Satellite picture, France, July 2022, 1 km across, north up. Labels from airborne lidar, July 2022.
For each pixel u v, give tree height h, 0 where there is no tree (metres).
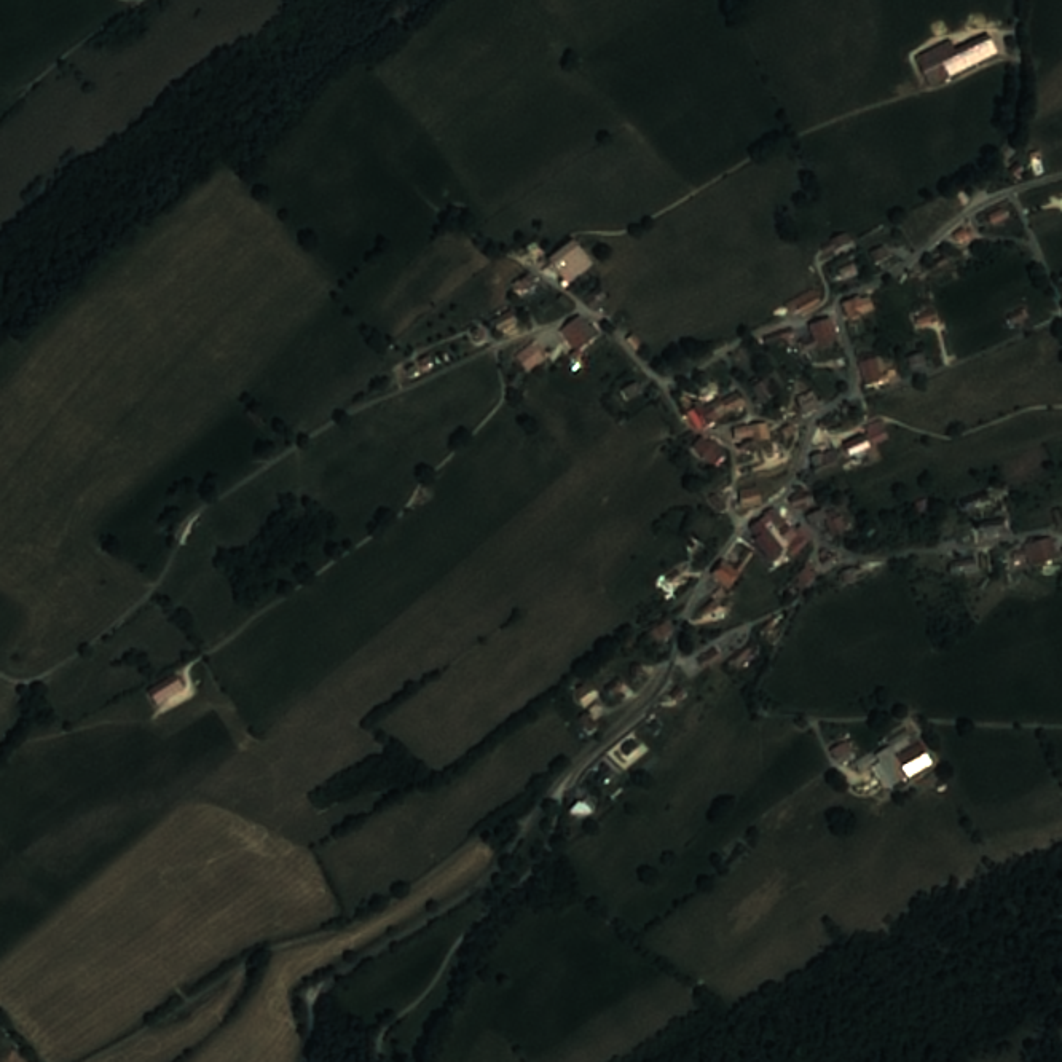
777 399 7
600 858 0
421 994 0
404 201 0
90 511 0
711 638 8
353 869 0
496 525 0
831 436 0
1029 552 0
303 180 0
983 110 0
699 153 0
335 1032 27
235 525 0
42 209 17
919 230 0
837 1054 19
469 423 0
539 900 21
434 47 0
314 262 0
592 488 0
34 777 0
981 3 0
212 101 20
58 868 0
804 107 0
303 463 0
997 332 0
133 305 0
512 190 0
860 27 0
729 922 0
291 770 0
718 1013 11
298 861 0
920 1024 15
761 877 0
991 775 0
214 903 0
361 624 0
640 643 8
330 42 17
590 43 0
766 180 0
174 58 0
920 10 0
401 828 0
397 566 0
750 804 0
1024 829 0
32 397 0
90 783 0
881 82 0
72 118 0
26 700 10
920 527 13
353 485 0
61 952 0
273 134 25
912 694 0
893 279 13
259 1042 0
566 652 0
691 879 0
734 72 0
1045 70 0
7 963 0
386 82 0
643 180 0
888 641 0
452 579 0
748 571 0
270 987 0
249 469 0
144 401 0
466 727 0
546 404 0
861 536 5
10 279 23
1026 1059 14
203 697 0
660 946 0
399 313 0
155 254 0
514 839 13
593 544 0
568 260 0
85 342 0
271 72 21
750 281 0
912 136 0
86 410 0
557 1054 0
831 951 15
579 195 0
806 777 0
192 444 0
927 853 0
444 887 0
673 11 0
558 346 0
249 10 0
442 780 15
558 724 0
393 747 15
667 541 0
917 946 20
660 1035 8
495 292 0
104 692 0
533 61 0
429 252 0
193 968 0
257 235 0
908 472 0
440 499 0
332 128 0
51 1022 0
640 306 0
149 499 0
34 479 0
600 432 0
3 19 0
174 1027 0
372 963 14
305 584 12
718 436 0
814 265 0
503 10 0
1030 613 0
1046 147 0
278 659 0
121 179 23
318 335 0
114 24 9
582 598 0
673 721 0
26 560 0
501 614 0
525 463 0
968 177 21
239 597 16
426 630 0
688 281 0
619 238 0
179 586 0
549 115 0
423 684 9
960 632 8
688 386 16
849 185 0
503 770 0
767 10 0
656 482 0
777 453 0
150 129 15
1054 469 15
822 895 0
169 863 0
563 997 0
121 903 0
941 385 0
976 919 29
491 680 0
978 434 0
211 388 0
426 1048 23
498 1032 0
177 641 0
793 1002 19
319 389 0
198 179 19
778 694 0
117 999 0
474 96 0
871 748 0
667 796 0
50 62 0
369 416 0
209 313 0
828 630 0
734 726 0
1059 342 12
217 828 0
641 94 0
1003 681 0
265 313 0
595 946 0
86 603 0
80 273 27
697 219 0
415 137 0
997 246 7
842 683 0
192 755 0
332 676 0
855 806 0
